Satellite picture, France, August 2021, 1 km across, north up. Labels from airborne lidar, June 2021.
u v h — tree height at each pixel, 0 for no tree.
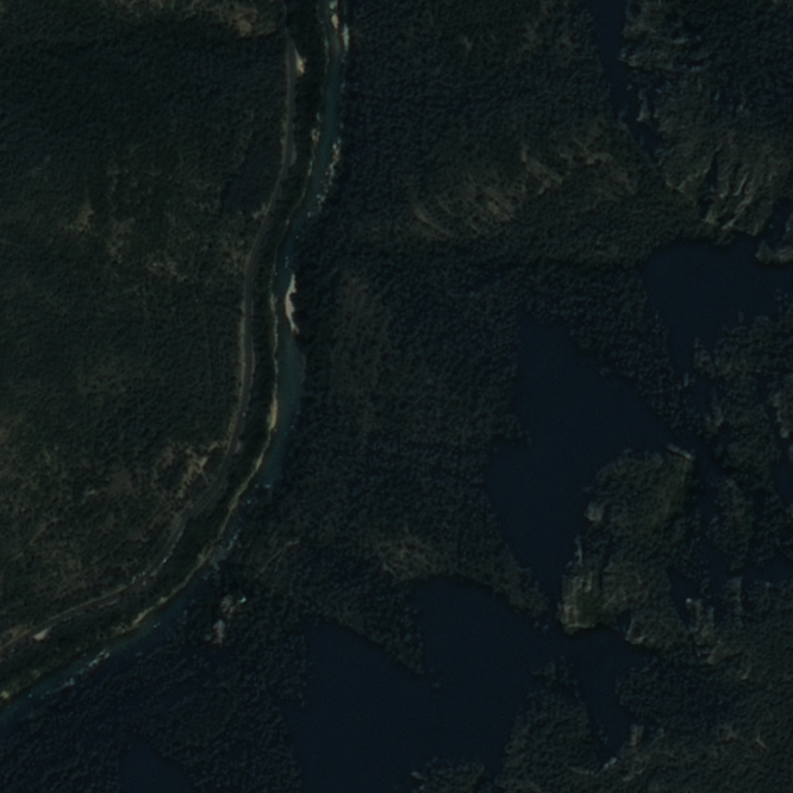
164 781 11
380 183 7
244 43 17
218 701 24
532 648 22
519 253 15
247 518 8
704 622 7
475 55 8
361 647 8
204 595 18
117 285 9
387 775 10
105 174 9
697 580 15
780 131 8
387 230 7
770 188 10
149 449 9
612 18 12
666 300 6
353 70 9
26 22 10
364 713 9
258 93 14
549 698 6
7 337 9
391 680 9
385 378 8
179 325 8
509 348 6
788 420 7
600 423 13
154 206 7
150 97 12
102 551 8
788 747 6
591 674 11
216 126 11
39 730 19
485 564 8
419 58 11
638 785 12
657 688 9
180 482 9
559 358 18
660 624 7
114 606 9
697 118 7
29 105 10
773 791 6
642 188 8
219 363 10
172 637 15
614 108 12
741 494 17
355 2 10
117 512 10
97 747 18
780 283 10
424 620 14
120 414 13
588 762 12
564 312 13
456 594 16
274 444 0
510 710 11
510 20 7
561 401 8
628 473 8
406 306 11
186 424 12
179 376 9
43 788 21
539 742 9
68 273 8
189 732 20
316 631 16
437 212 7
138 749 18
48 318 8
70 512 8
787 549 17
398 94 10
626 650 7
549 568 6
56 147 9
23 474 6
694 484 11
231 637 10
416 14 10
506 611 20
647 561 6
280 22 10
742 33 19
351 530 8
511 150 8
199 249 9
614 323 18
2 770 17
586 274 18
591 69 8
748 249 9
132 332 9
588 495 11
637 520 7
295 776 16
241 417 0
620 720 7
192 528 15
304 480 9
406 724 16
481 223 6
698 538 14
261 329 11
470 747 9
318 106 12
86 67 7
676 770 7
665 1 24
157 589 15
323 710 10
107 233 8
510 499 15
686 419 19
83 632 11
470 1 7
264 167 17
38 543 7
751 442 10
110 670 19
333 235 15
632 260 10
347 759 11
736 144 7
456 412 6
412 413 7
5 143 12
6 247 9
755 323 9
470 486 11
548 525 6
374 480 8
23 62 13
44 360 8
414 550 8
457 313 9
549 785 12
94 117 9
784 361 8
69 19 10
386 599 9
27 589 8
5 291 8
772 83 10
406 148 9
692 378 17
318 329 12
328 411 11
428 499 8
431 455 8
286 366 0
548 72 7
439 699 7
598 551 8
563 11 11
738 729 7
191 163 7
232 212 23
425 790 7
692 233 9
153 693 14
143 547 8
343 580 12
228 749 9
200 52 17
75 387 8
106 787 11
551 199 10
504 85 10
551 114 9
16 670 10
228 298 12
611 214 11
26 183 8
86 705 15
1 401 7
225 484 7
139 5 8
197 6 7
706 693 7
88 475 10
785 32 13
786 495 7
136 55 15
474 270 17
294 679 7
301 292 17
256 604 9
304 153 17
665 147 8
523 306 11
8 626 10
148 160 7
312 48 11
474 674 6
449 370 7
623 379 14
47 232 6
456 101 7
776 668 8
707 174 7
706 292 18
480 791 10
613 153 9
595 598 13
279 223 14
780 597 8
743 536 10
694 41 17
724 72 19
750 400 6
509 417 7
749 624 10
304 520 9
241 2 12
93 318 8
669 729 7
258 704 8
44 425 7
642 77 8
